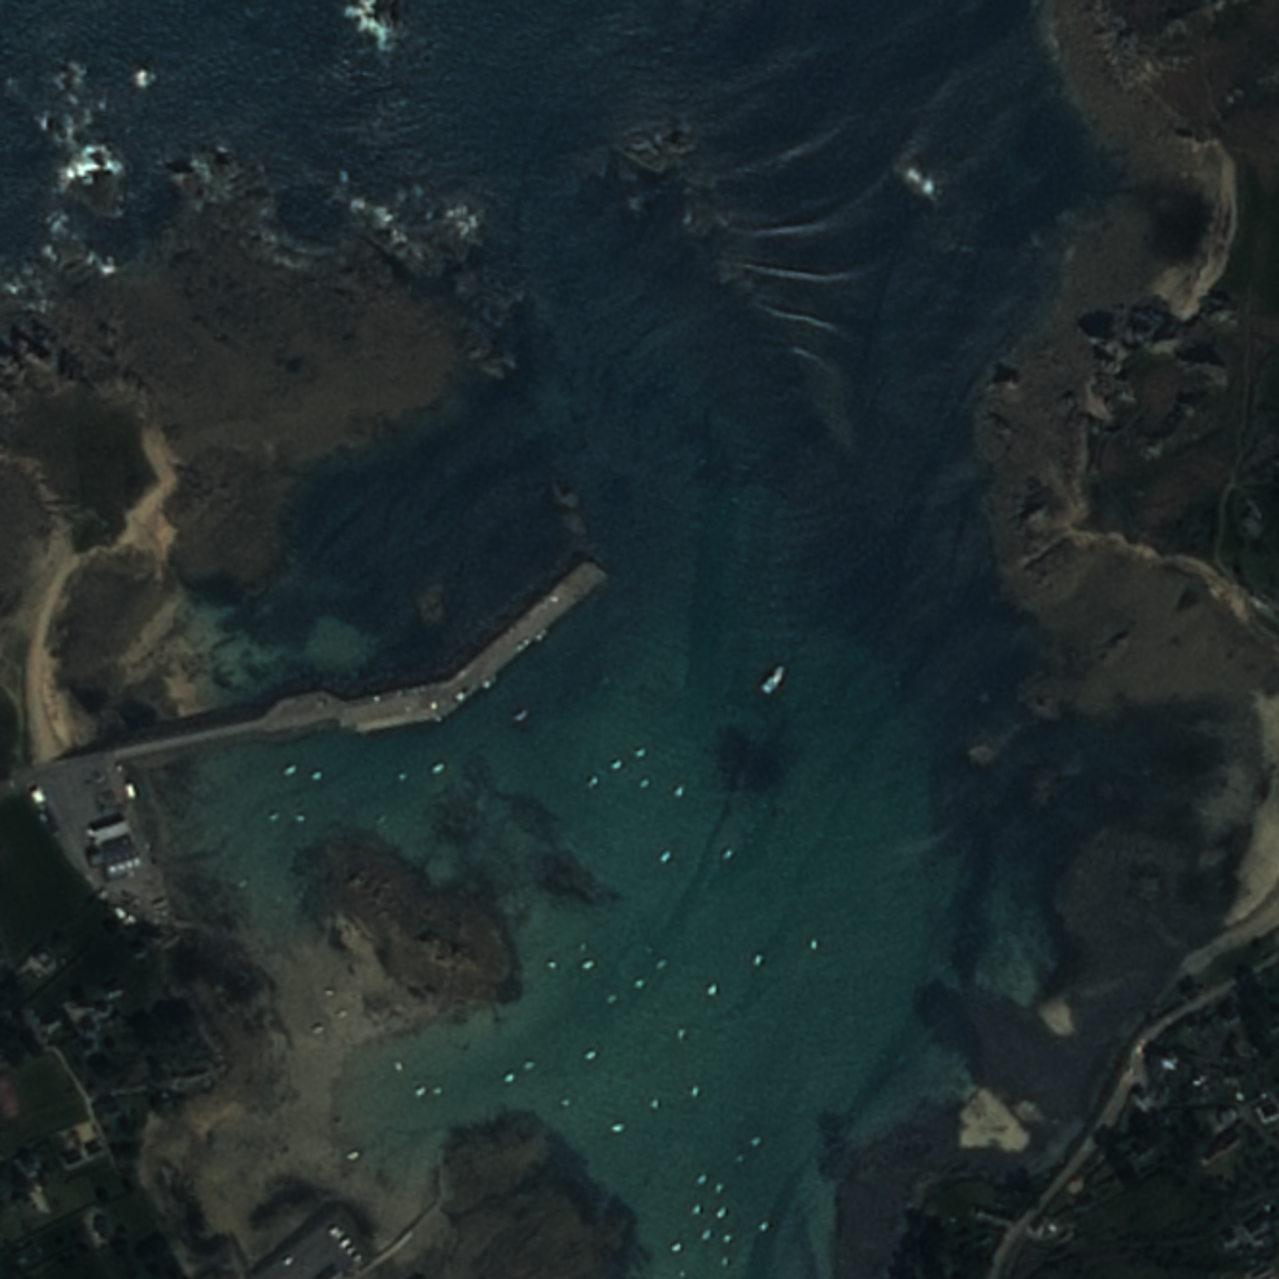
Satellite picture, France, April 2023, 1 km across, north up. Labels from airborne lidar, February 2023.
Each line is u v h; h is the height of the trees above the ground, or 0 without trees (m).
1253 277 0
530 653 0
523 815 0
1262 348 0
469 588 0
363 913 0
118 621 0
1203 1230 0
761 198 0
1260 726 0
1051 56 0
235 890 0
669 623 0
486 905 0
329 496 0
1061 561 0
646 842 0
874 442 0
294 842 0
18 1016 8
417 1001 0
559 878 0
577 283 0
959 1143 0
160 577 0
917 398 0
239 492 0
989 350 0
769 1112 0
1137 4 0
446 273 0
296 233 0
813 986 0
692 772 0
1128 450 0
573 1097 0
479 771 0
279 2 0
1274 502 11
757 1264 0
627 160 0
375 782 0
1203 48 0
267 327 0
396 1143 0
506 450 0
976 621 0
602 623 0
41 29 0
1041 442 0
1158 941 0
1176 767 0
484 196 0
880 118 0
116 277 0
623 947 0
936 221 0
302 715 0
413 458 0
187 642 0
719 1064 0
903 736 0
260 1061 0
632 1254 0
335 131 0
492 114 0
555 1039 0
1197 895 0
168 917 0
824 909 0
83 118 0
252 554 0
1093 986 0
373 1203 0
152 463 0
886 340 0
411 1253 0
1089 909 0
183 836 0
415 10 0
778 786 0
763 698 0
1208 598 0
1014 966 0
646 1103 0
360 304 0
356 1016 0
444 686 0
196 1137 0
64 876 0
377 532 0
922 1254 14
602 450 0
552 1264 0
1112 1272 0
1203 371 0
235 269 0
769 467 0
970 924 0
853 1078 0
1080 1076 0
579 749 0
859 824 0
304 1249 0
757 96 0
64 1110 0
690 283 0
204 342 0
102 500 0
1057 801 0
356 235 0
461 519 0
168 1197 0
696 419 0
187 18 0
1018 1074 0
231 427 0
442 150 0
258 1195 0
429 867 0
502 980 0
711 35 0
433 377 0
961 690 0
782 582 0
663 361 0
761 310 0
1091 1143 0
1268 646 0
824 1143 0
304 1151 0
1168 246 0
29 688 0
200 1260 0
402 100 0
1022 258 0
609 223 0
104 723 0
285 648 0
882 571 0
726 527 0
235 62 0
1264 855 0
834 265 0
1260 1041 13
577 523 0
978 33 0
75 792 0
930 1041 0
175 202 0
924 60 0
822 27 0
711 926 0
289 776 0
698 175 0
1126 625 0
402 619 0
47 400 0
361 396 0
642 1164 0
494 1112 0
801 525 0
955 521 0
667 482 0
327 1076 0
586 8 0
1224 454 0
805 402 0
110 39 0
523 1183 0
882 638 0
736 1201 0
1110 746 0
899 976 0
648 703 0
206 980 0
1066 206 0
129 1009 0
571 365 0
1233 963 0
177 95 0
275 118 0
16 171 0
